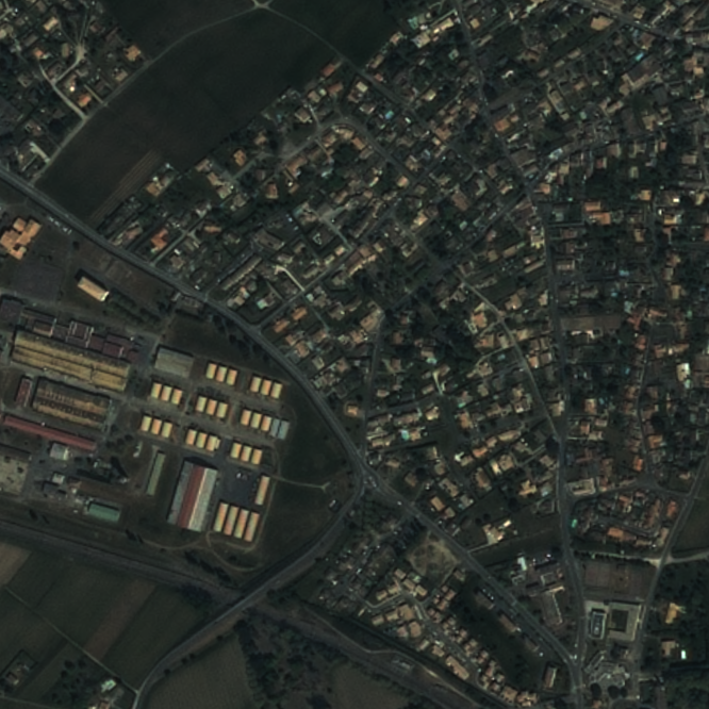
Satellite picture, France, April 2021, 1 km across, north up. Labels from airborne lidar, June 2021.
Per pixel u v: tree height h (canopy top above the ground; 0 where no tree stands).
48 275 0
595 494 0
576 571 0
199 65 0
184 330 0
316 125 0
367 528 10
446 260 13
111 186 0
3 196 0
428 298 18
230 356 0
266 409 0
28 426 0
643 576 0
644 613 0
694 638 7
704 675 11
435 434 0
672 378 0
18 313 0
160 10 0
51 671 0
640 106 0
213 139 0
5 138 8
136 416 0
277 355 0
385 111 7
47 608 0
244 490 0
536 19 6
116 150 0
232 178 0
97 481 0
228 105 0
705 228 0
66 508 0
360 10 0
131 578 0
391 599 0
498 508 0
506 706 0
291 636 20
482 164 8
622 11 11
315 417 0
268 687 11
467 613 14
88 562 0
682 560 0
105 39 7
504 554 0
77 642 0
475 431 0
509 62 8
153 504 0
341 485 0
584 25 10
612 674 0
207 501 0
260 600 0
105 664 0
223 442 0
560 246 7
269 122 0
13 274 0
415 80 5
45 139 7
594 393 8
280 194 0
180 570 0
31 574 0
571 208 9
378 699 0
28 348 0
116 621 0
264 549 0
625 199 9
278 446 0
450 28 7
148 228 6
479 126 16
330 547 0
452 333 11
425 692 0
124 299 16
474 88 10
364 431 0
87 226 0
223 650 0
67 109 0
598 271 9
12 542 0
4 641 0
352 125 0
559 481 0
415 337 12
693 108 0
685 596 15
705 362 0
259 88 0
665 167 5
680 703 20
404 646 0
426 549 0
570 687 7
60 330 0
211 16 0
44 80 0
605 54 6
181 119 0
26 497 0
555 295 0
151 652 0
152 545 0
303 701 0
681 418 10
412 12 9
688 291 7
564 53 0
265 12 0
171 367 0
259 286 12
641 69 0
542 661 0
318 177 8
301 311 0
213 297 0
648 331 9
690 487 0
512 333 0
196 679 0
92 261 0
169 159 0
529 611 0
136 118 0
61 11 11
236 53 0
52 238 0
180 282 0
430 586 0
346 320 9
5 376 0
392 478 0
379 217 10
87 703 14
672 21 8
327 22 0
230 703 0
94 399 0
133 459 0
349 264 0
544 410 0
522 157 0
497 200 0
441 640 0
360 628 6
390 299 8
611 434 0
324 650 14
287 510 0
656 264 9
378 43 0
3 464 0
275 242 0
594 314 7
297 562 0
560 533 0
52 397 0
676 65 11
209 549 0
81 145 0
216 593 0
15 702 0
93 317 0
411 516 0
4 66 12
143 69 0
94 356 0
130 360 0
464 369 9
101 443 0
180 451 0
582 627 0
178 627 0
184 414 0
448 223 7
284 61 0
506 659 0
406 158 9
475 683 0
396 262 11
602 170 10
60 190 0
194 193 0
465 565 0
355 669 10
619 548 9
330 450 0
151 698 0
